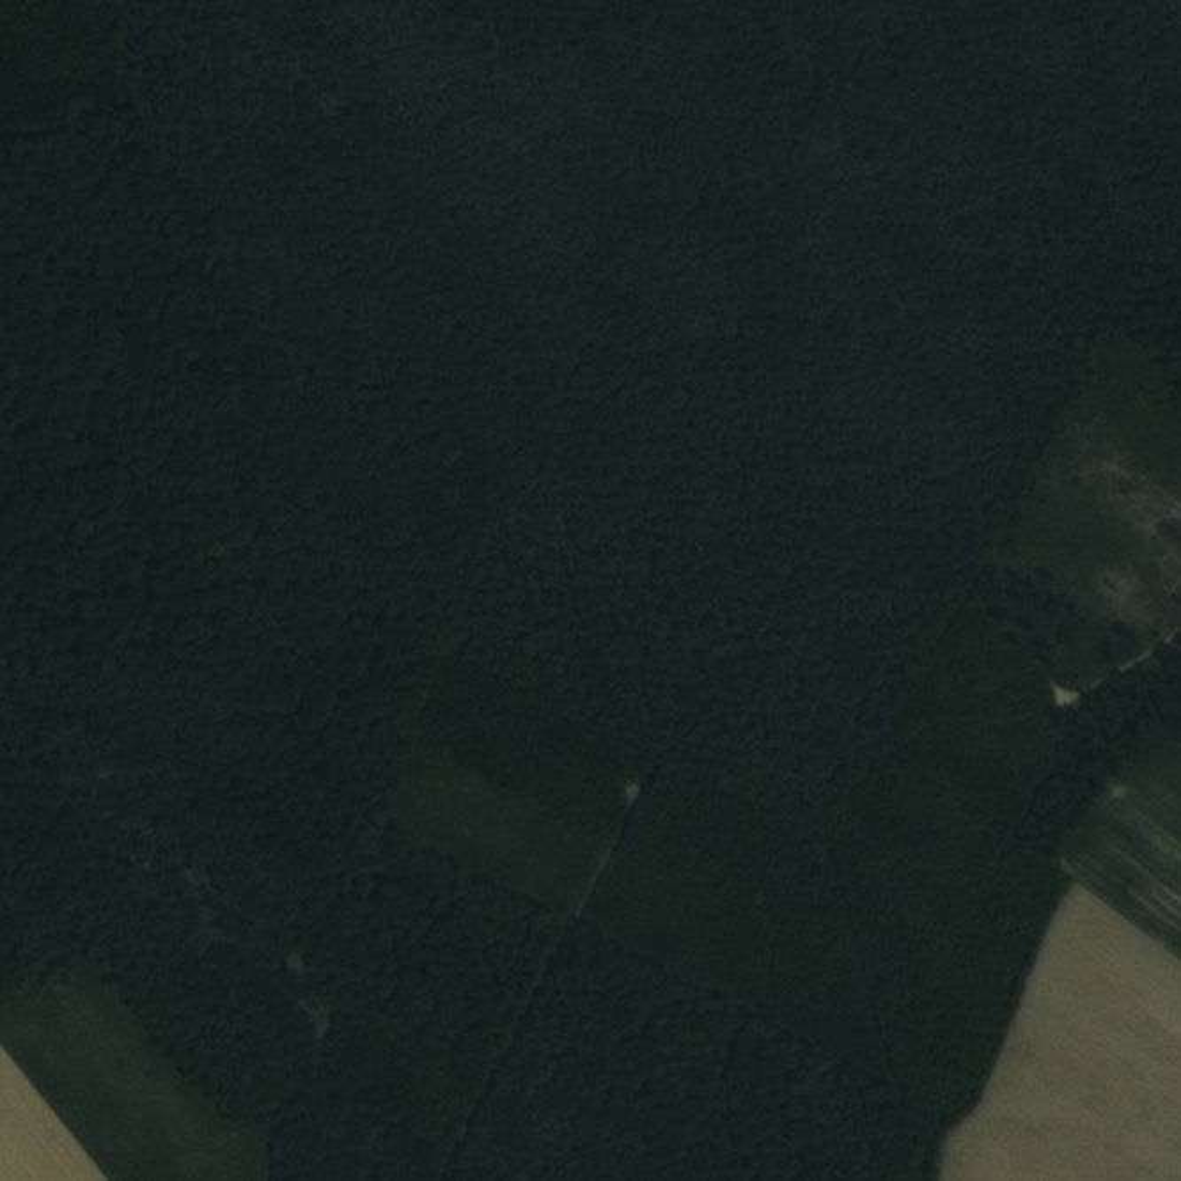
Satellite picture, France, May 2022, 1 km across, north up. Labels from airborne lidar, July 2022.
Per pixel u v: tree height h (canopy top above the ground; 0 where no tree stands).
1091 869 0
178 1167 0
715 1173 21
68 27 9
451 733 14
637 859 12
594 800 15
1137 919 0
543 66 24
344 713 27
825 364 23
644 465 23
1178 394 28
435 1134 14
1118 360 0
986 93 21
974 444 26
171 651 25
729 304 16
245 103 25
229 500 23
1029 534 0
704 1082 27
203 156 31
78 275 20
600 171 22
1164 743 0
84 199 24
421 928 25
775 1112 15
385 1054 11
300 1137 27
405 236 25
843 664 26
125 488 28
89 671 26
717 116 17
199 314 27
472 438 27
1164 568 0
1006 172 22
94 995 0
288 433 25
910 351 17
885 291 23
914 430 25
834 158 16
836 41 21
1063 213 24
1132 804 0
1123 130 21
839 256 20
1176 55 22
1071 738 31
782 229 22
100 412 29
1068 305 30
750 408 21
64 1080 0
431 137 13
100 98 11
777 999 11
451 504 26
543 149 22
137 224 21
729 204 23
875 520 27
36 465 28
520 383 26
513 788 11
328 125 23
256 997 27
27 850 20
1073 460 0
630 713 19
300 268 25
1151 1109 0
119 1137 0
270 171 24
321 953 27
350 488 29
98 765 24
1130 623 0
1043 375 24
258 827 25
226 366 19
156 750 23
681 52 23
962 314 25
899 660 19
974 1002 9
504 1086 13
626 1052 24
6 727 24
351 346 25
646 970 22
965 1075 9
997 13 22
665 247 14
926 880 8
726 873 14
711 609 27
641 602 22
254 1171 0
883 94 24
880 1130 29
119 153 20
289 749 23
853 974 6
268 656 28
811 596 24
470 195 22
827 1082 24
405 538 19
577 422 27
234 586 29
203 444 29
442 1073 15
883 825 6
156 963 24
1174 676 28
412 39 15
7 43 10
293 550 23
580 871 0
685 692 27
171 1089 0
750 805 17
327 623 29
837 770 29
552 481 27
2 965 20
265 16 23
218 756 28
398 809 0
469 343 29
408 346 29
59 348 31
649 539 25
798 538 23
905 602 25
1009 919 10
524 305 18
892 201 25
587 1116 17
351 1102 12
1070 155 25
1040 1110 0
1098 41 21
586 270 19
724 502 25
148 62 21
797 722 23
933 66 23
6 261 31
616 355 26
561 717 13
